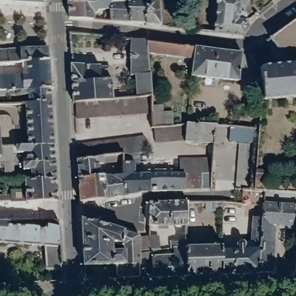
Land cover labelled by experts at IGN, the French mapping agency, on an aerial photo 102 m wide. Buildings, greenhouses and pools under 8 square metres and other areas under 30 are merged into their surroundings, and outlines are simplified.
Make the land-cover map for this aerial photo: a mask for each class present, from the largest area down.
<instances>
[{"label":"building","instance_id":"1","mask_svg":"<svg viewBox=\"0 0 296 296\"><path fill-rule=\"evenodd\" d=\"M68 15L73 21L131 25L138 29L179 31L182 34L185 32L184 28L175 27L164 25L158 18L161 17L160 0H67ZM215 29H203L199 31V35L244 39L251 25L258 20L259 13L250 17L240 0H217ZM276 46L296 47V18L271 36ZM131 45V75L135 76L136 84L134 96L114 95L116 89L113 88L108 72V61L97 60L92 64L82 61L71 62L72 86L79 87V91L73 92L77 118L90 120L92 117L146 113L148 121L153 119L155 142L188 140L206 147L208 143H213L212 169L208 170L207 157L199 155H179L173 164H143L141 149L143 141L146 140L143 133L86 140L73 139L69 145V158L73 156L77 160V176H73L72 173L71 176L72 179L80 180V201H94L97 206L102 207L105 202L140 198L148 192L206 194L210 184L215 185L216 191L254 188L261 179L262 165H257L259 126L195 121L182 123V116H171L170 111H164L162 104H155L154 88L153 75L149 73L148 66V53L151 52L183 55L185 59H193V76L198 77L206 79L208 75L212 77V82L239 81L243 68L247 65L244 47L228 49L220 46L128 38V44ZM42 57H49V47L46 43L22 46L21 59L17 58L15 47L0 49V96H29L28 101H21V105L27 110V143L3 145L2 139L9 136V132L15 127L8 116L0 114V160L5 165L3 169L6 172L13 171L18 161L17 154L25 151L28 156L25 157L23 169L31 170L27 176V183L9 186L7 195L0 192V200L51 198L52 193L58 192V185L51 183V179H57V166L55 151L50 150L54 147V140L50 138L54 135L53 123L47 121L53 118L52 109L49 108L52 104L51 67L49 60H40ZM265 79V96L268 99L296 97V60L269 61L261 66ZM149 207L148 236H138L136 231L127 230L123 225L82 216L84 265L132 264L138 277L160 279L163 283H188L191 287L206 286L213 282L222 283L228 275L236 274L239 265L247 262L257 267L267 260L268 254H274L273 224L279 223L284 228H290L296 217V203L265 201L264 215L252 217L251 238L243 240L242 252L231 247L225 249L224 243H192L188 244L185 257L178 249V235H187L188 227H194L195 222V219H191L193 210L187 206L186 199L146 201ZM60 234L57 225L49 223L46 227H40L38 224H13L7 217H0V243H6L8 240L9 243L17 245H29L30 251H34L39 259H44L47 271H51L55 265L62 266L65 262L61 257V246L58 244Z\"/></svg>","mask_w":296,"mask_h":296},{"label":"impervious surface","instance_id":"2","mask_svg":"<svg viewBox=\"0 0 296 296\"><path fill-rule=\"evenodd\" d=\"M250 17L259 13L258 20L251 25L244 39L199 35H188L185 32L182 34L179 31L138 29L131 25L73 21L68 15L67 0H0V49L15 47L17 58L21 59L22 46L46 43L49 47V57H42L40 60H49L51 67L52 104L49 108L52 109L53 118L47 121L53 123L54 135L50 138L54 140V147L50 150L55 151L57 166V179H51V183L58 185V192L52 193L51 198L0 200V217H7L13 224H38L40 227H46L49 223L57 225L60 234L58 244L61 246V257L65 262L62 266L55 265L51 271L52 280L36 281L34 274L15 269L10 257L17 250V245L9 243L8 240L6 243H0V296H88L92 289L103 287L119 290L124 286L135 289L145 287L150 291L157 287L187 290L191 287L188 283H163L160 279L138 277L132 264L84 265L82 216L123 225L127 230L136 231L138 236H148L149 207L146 201L186 199L187 206L193 210L191 219H195V222L194 227H188L187 235H178V249L185 257L188 244L192 243H224L225 249L231 247L242 252L243 240L251 238L252 217L264 215L265 201L296 203V191L271 190L265 187L258 190L254 188L216 191L215 185L210 184L206 194L148 192L140 198L105 202L102 207L97 206L94 201H80V180L72 179L71 176L72 173L73 176H77V160L73 156L69 158V145L73 139L86 140L143 133L146 140L143 141L141 149L143 164H173L179 155H199L207 157L208 170L212 169L213 143H208L206 147L188 140L155 142L153 119L148 121L146 113L92 117L90 120L77 118L73 92L79 91V87L72 86L71 62L82 61L92 64L97 60L108 61V72L113 88L116 89L114 95L134 96L136 84L135 76L131 75V45L128 44L119 54L117 47H111L110 51H103L99 47H80L81 53H71L69 36L71 32L102 35L110 37L118 34L128 38L220 46L228 49L244 47L247 65L243 68L239 81L212 82V77L208 75L206 79L198 77L200 92L190 101L194 113L185 112L182 116V123L195 121L259 126V118L252 119L250 116L240 117L239 120L230 119L231 110L236 105L247 103L246 96H242L246 86L259 87L261 94L265 96V79L261 66L269 61L296 60V47L276 46L271 36L296 18V0H240ZM29 96H0V114L8 116L15 127L9 132V136L2 139L3 145L27 143V110L21 105V101H28ZM28 156L25 151L17 154L18 161L13 171L6 172L3 169L5 165L0 160V176H27L31 170L23 169L25 157ZM274 254H268L267 260L257 267L247 262L239 265L236 274L228 275L222 283L225 286L236 281L251 284L267 283L273 277L277 282H296V217L290 228H284L279 223L273 224Z\"/></svg>","mask_w":296,"mask_h":296},{"label":"deciduous trees","instance_id":"3","mask_svg":"<svg viewBox=\"0 0 296 296\"><path fill-rule=\"evenodd\" d=\"M99 47L103 51H110L111 47H117L119 54L128 44V38L118 34L110 37L102 35L96 39ZM200 92L198 77L193 76L188 88L179 92L180 96L186 94L185 112L194 113L190 101ZM155 104H162L171 98V83L168 79L158 81L157 88H154ZM246 96L247 103L236 105L231 110L230 119L239 120L240 117L250 116L252 119L259 118V125L266 126V117L272 114V110L268 108V99L265 96L261 94L259 87L246 86L242 96ZM265 187L271 190L296 191V162H276L269 165L268 176L262 182ZM27 183V176H0V192L7 195L9 186ZM17 250L10 257L15 269L34 274L36 281L52 280L51 271H47L44 259H39L34 251H30L29 245H17ZM88 296H296V282H277L273 277L267 283L251 284L236 281L225 286L222 283L213 282L206 286L191 287L187 290L157 287L150 291L145 287L135 289L124 286L119 290L103 287L92 289Z\"/></svg>","mask_w":296,"mask_h":296},{"label":"herbaceous vegetation","instance_id":"4","mask_svg":"<svg viewBox=\"0 0 296 296\"><path fill-rule=\"evenodd\" d=\"M176 0H160L161 17L158 18L164 25L175 27L176 22L171 23L170 14L175 12L173 5ZM217 0H201L202 15L199 21L203 29H215ZM102 35L71 32L69 36L71 53H81L80 47H99L96 39ZM193 59H185L183 55L151 52L148 53V66L149 73L153 75L154 88H157L158 81L168 79L171 83V98L162 104L164 111H170L171 116H182L185 112L186 94L180 96L179 92L188 88L193 76ZM268 108L272 110V114L266 117V133L271 135L272 139H266L260 147L266 154L262 165L261 179L254 188L258 190L265 187L262 182L268 176L269 165L276 162H296V97L268 99Z\"/></svg>","mask_w":296,"mask_h":296},{"label":"coniferous trees","instance_id":"5","mask_svg":"<svg viewBox=\"0 0 296 296\"><path fill-rule=\"evenodd\" d=\"M201 0H176L173 5L175 12L170 14L171 23L176 22L175 27L184 28L185 32L188 35H199V31L203 29L199 21L202 15Z\"/></svg>","mask_w":296,"mask_h":296},{"label":"brushwood","instance_id":"6","mask_svg":"<svg viewBox=\"0 0 296 296\"><path fill-rule=\"evenodd\" d=\"M266 139H272L271 135L266 133V126L259 125V126L257 165H262L266 154L260 147Z\"/></svg>","mask_w":296,"mask_h":296}]
</instances>
